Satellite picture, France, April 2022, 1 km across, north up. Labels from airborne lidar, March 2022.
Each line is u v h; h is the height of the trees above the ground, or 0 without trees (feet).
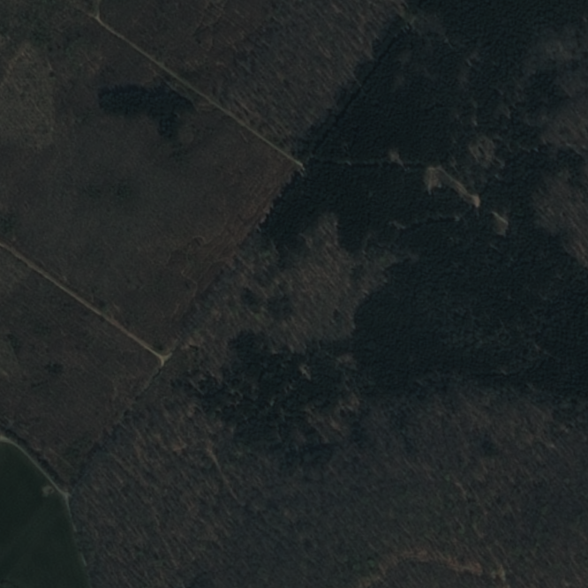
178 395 26
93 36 34
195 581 103
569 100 65
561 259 86
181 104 94
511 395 72
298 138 103
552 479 102
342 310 74
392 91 89
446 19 80
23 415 36
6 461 0
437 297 80
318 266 96
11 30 48
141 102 102
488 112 74
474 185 71
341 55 110
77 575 0
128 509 104
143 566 92
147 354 29
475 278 57
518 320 62
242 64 94
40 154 49
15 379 44
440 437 109
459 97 99
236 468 112
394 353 78
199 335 90
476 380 72
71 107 47
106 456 106
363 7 98
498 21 81
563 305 65
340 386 88
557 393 72
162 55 33
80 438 32
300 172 0
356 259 86
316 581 87
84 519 82
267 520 69
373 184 72
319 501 90
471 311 55
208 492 124
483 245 77
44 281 45
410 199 72
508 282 75
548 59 106
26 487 0
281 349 103
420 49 72
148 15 40
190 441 121
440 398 92
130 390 31
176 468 103
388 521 91
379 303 57
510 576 85
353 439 54
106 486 105
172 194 51
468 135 72
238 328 88
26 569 0
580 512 106
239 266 53
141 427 114
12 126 0
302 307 98
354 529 102
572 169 79
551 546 100
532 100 60
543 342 78
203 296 24
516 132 68
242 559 108
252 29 22
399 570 0
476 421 112
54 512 0
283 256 68
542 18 77
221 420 97
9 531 0
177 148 36
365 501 104
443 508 75
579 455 97
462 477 107
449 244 67
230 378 92
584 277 81
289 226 78
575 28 74
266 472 109
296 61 106
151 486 112
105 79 31
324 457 115
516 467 114
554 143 75
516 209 75
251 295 68
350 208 75
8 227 51
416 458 115
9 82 0
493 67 92
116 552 94
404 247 60
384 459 110
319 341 71
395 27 96
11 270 0
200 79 27
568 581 92
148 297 31
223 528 83
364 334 71
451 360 61
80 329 33
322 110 96
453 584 87
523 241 69
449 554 82
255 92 104
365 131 75
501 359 68
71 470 0
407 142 75
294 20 107
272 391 68
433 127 84
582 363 76
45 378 36
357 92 86
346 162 76
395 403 76
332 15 111
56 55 80
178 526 116
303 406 46
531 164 54
